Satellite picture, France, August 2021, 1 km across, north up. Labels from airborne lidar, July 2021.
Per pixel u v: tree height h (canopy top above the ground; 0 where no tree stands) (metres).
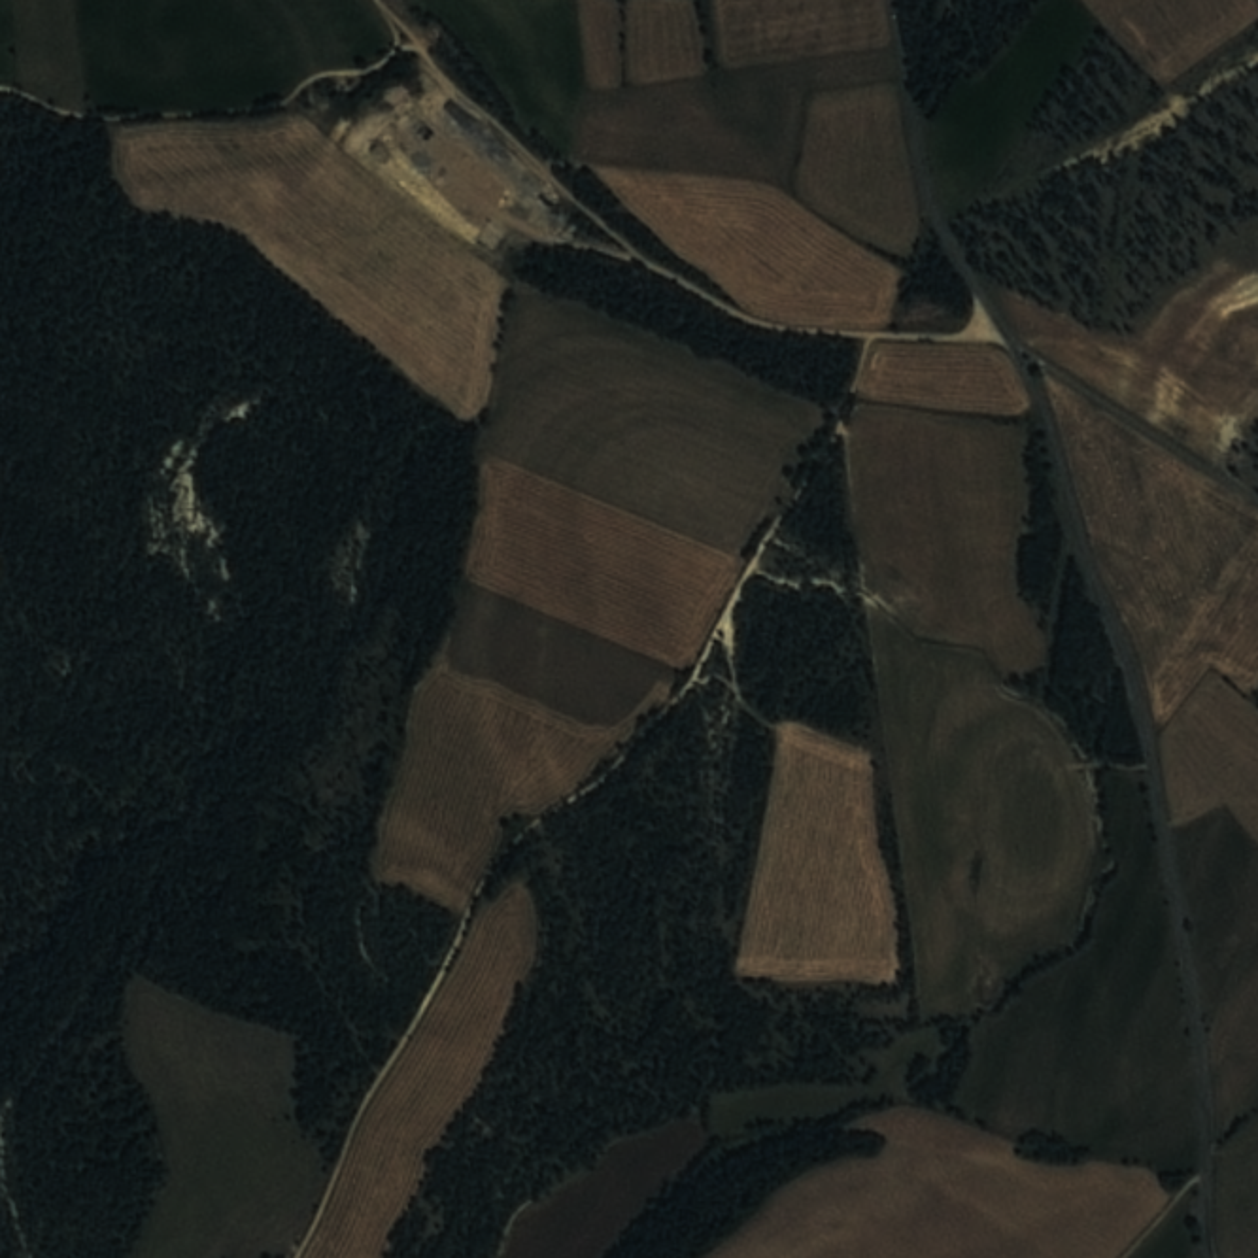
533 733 0
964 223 12
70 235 13
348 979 6
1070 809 0
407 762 0
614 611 0
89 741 11
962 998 0
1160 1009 0
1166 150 11
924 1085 10
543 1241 0
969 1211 0
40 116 9
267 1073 0
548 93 0
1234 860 0
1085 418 0
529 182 0
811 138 0
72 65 0
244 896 13
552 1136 16
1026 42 0
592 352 0
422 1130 0
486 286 0
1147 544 0
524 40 0
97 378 8
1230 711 0
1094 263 12
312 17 0
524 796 0
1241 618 0
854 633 6
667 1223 14
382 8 0
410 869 0
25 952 11
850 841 0
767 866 0
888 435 0
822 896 0
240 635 11
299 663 7
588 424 0
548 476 0
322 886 10
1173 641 0
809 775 0
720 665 8
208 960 15
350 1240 0
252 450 7
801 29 0
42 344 7
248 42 0
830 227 0
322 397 10
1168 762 0
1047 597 8
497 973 0
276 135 0
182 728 10
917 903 0
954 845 0
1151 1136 0
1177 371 0
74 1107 9
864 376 0
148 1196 7
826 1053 10
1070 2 0
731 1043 12
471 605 0
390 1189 0
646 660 0
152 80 0
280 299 14
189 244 11
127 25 0
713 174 0
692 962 7
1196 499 0
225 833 14
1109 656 9
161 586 8
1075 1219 0
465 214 0
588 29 0
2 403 12
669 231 0
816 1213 0
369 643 13
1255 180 0
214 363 12
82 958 12
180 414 8
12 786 9
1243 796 0
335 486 11
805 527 12
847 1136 6
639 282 10
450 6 0
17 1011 13
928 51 11
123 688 13
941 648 0
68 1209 7
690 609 0
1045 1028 0
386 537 11
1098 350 0
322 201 0
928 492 0
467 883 0
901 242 0
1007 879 0
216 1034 0
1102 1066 0
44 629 8
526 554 0
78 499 9
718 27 0
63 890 11
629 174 0
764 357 8
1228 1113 0
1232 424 0
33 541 11
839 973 0
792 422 0
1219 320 0
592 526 0
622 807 7
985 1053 0
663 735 11
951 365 0
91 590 12
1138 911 0
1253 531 0
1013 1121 0
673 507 0
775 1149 14
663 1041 13
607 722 0
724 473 0
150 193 0
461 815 0
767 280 0
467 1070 0
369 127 0
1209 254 0
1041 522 9
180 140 0
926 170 0
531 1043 11
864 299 0
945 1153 0
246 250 15
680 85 0
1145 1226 0
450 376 0
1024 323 0
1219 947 0
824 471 13
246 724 10
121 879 16
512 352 0
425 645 10
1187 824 0
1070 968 0
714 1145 9
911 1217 0
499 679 0
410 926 7
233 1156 0
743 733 9
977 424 0
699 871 7
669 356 0
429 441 7
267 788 13
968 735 0
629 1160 0
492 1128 8
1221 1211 0
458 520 12
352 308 0
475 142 0
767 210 0
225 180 0
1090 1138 0
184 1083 0
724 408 0
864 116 0
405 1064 0
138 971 10
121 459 7
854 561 7
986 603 0
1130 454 0
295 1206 0
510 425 0
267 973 15
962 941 0
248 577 12
